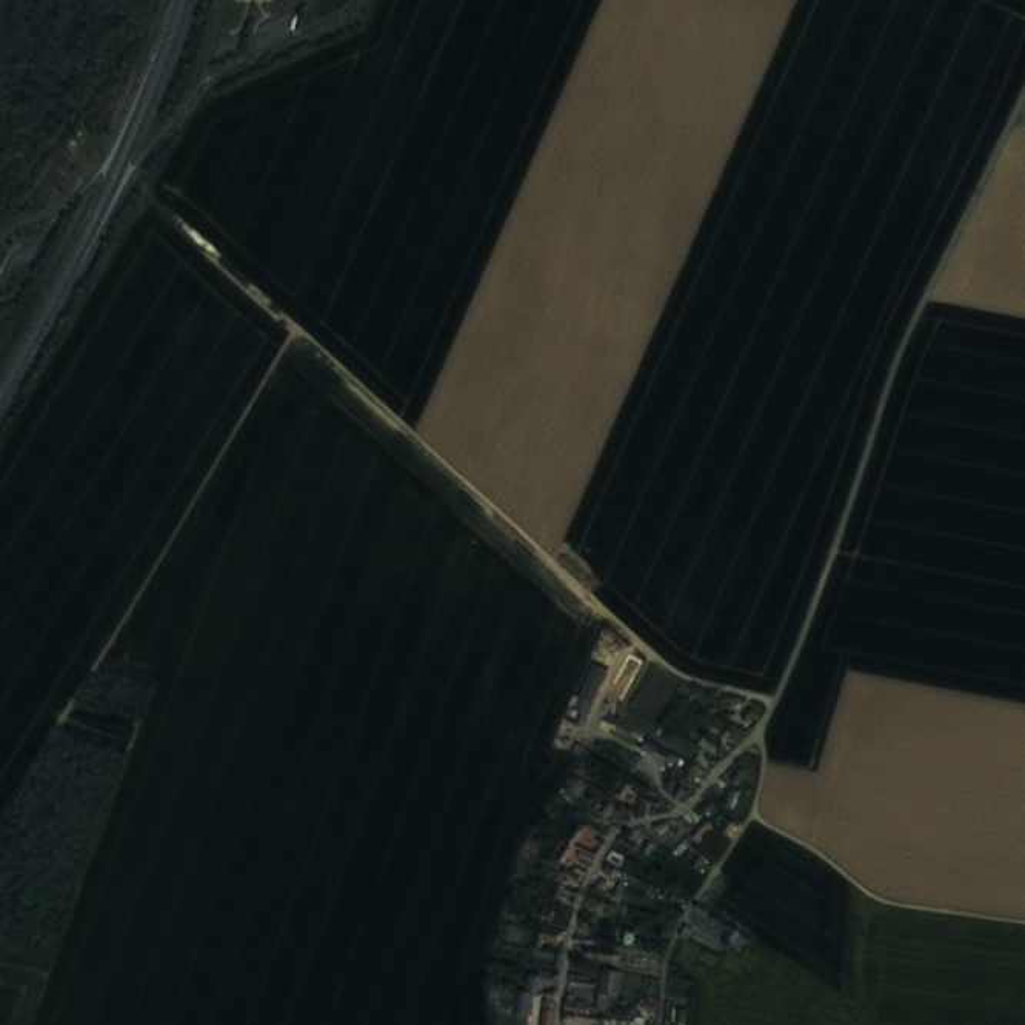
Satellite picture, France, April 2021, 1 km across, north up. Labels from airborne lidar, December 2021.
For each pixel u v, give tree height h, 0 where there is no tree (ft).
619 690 0
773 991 0
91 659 0
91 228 0
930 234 0
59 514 0
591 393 0
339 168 0
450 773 0
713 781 0
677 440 0
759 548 0
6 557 0
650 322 0
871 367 0
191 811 0
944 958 0
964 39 0
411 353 0
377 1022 0
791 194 0
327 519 0
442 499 0
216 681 0
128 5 53
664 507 0
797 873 0
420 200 0
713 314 0
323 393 0
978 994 0
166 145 30
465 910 0
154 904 0
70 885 63
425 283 0
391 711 0
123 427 0
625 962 0
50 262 28
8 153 59
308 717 0
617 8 0
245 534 0
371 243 0
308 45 23
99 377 0
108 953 0
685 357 0
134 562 0
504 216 0
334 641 0
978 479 0
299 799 0
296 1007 0
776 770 0
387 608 0
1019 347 0
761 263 0
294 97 0
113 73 41
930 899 0
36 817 57
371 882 0
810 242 0
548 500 0
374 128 0
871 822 0
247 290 0
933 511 0
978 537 0
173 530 0
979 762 0
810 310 0
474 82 0
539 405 0
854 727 0
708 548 0
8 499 0
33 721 0
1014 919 0
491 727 0
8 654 0
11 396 0
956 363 0
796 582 0
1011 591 0
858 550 0
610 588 0
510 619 0
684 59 0
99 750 50
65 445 0
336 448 0
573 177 0
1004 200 0
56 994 0
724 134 0
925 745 0
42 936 47
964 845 0
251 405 0
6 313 45
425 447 0
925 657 0
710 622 0
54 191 29
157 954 0
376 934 0
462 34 0
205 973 0
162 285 0
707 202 0
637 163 0
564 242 0
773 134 0
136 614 0
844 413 0
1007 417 0
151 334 0
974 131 0
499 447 0
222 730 0
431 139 0
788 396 0
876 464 0
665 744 29
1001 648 0
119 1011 0
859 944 0
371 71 0
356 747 0
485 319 0
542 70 0
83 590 0
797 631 0
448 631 0
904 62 0
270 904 0
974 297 0
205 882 0
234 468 0
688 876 0
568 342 0
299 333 0
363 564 0
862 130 0
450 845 0
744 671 0
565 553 0
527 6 0
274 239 0
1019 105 0
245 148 0
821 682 0
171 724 0
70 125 47
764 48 0
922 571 0
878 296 0
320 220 0
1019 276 0
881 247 0
